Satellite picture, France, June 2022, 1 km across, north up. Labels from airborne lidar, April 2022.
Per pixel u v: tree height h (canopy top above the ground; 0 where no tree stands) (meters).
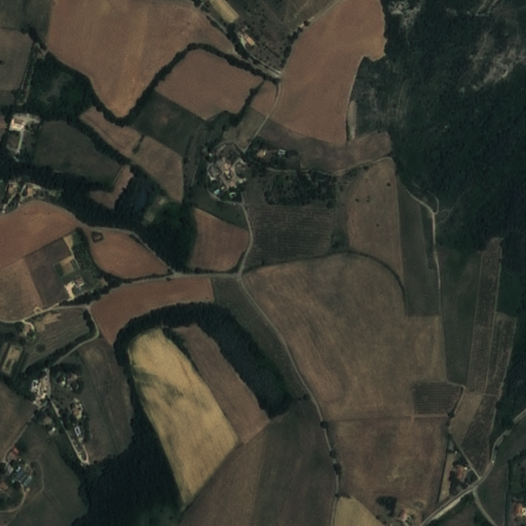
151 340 0
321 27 0
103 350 0
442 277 0
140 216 12
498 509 0
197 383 0
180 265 14
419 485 0
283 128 0
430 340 0
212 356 0
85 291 0
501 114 7
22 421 0
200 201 0
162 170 0
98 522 15
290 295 0
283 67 6
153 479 16
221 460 0
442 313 0
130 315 0
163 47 0
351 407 0
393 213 0
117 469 17
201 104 0
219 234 0
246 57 14
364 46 0
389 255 0
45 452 0
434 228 0
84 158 0
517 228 8
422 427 0
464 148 8
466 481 5
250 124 0
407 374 0
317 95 0
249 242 0
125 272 0
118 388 0
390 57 7
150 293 0
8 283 0
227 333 16
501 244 6
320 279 0
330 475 0
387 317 0
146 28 0
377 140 0
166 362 0
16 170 17
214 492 0
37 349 0
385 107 6
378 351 0
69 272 0
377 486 0
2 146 15
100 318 0
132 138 0
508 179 8
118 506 14
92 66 0
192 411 0
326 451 0
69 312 0
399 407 0
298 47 0
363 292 0
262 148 10
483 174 8
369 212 0
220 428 0
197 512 0
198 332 0
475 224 11
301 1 0
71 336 0
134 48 0
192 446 0
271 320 0
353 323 0
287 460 0
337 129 0
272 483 0
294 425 0
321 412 0
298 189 11
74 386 11
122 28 0
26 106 11
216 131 0
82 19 0
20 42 0
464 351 0
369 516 0
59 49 0
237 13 0
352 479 0
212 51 6
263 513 0
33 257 0
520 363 13
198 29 0
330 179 7
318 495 0
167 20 0
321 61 0
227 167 0
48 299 0
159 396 0
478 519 10
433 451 0
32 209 0
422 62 7
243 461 0
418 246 0
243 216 0
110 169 0
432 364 0
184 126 0
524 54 0
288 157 12
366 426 0
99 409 0
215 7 0
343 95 0
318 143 0
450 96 10
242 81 0
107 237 0
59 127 0
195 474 0
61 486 0
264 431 0
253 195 0
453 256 0
